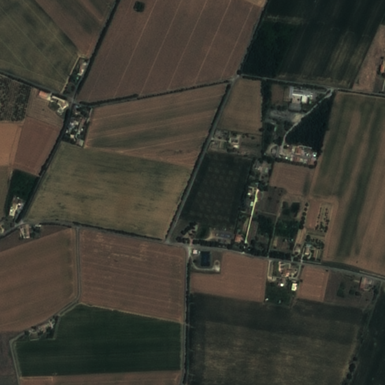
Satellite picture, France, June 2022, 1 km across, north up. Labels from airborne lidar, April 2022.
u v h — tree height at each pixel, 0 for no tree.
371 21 0
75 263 0
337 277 0
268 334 0
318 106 11
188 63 0
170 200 0
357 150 0
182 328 0
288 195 0
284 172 0
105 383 0
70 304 0
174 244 0
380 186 0
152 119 0
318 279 0
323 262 0
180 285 0
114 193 0
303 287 0
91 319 0
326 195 0
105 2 0
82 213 0
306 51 0
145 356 0
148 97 7
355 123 0
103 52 0
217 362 0
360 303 0
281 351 0
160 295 0
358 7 0
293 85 9
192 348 0
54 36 0
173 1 0
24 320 0
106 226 0
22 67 0
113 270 0
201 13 0
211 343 0
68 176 0
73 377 0
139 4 7
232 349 0
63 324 0
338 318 0
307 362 0
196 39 0
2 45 0
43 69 0
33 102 0
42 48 0
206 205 0
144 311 0
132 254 0
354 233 0
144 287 0
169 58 0
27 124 0
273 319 0
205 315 0
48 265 0
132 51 0
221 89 0
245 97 0
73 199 0
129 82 0
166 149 0
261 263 0
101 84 0
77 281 0
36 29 0
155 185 0
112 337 0
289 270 0
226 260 0
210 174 0
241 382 0
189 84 0
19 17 0
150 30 0
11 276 0
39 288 0
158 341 0
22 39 0
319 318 0
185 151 0
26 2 0
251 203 0
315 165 9
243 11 0
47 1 0
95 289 0
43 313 0
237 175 0
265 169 0
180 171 0
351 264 0
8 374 0
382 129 0
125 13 0
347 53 0
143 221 0
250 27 0
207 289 0
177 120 0
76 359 0
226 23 0
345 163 0
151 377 0
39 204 0
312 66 0
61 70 0
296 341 0
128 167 0
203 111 0
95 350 0
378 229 0
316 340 0
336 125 0
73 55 0
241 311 0
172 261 0
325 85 0
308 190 0
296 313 0
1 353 0
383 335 0
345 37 0
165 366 0
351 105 0
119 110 0
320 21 0
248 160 0
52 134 0
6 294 0
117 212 0
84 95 0
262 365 0
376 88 0
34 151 0
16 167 0
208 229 0
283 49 8
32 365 0
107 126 0
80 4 0
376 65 0
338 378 0
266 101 9
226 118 0
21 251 0
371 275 0
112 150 0
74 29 0
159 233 0
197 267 0
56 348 0
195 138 0
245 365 0
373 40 0
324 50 0
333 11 0
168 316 0
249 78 10
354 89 0
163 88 0
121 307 0
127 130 0
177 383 0
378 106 0
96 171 0
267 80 11
